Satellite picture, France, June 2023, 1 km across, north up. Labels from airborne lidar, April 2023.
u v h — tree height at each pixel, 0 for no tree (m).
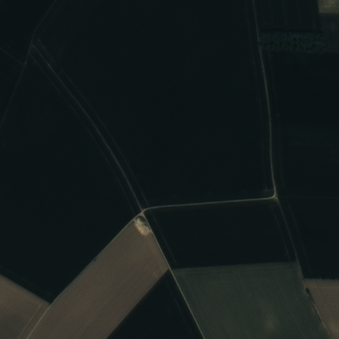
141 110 0
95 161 0
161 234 0
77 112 0
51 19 0
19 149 0
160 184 0
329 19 0
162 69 0
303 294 0
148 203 0
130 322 0
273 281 0
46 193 0
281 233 0
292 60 0
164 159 0
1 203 0
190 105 0
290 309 0
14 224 0
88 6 0
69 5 0
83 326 0
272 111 0
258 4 0
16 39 0
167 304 0
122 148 0
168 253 0
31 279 0
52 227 0
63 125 0
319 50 15
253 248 0
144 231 0
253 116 0
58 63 0
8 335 0
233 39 0
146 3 0
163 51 0
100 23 0
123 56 0
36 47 0
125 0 0
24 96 0
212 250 0
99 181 0
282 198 0
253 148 0
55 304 0
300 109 0
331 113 0
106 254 0
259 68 0
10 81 0
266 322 0
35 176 0
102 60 0
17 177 0
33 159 0
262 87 0
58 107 0
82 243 0
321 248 0
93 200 0
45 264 0
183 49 0
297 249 0
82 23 0
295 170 0
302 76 0
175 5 0
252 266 0
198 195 0
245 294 0
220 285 0
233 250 0
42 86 0
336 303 0
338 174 0
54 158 0
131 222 0
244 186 0
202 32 0
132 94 0
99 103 0
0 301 0
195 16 0
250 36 0
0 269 0
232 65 0
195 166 0
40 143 0
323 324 0
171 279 0
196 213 0
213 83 0
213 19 0
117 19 0
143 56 0
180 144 0
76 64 0
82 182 0
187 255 0
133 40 0
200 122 0
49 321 0
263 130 0
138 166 0
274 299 0
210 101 0
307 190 0
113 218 0
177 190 0
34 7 0
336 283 0
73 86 0
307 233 0
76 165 0
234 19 0
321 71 0
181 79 0
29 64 0
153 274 0
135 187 0
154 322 0
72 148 0
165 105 0
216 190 0
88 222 0
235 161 0
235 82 0
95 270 0
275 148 0
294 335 0
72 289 0
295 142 0
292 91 0
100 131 0
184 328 0
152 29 0
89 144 0
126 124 0
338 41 0
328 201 0
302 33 16
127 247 0
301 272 0
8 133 0
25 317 0
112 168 0
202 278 0
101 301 0
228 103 0
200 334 0
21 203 0
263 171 0
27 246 0
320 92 0
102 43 0
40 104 0
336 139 0
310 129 0
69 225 0
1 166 0
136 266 0
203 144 0
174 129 0
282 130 0
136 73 0
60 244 0
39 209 0
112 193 0
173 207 0
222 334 0
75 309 0
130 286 0
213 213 0
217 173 0
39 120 0
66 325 0
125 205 0
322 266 0
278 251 0
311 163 0
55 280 0
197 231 0
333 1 0
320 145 0
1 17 0
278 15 0
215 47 0
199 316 0
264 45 13
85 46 0
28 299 0
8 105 0
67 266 0
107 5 0
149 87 0
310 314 0
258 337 0
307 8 0
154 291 0
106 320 0
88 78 0
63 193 0
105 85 0
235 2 0
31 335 0
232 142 0
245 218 0
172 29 0
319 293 0
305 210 0
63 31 0
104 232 0
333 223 0
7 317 0
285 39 13
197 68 0
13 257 0
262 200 0
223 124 0
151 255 0
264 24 0
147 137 0
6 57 0
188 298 0
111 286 0
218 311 0
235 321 0
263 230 0
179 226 0
